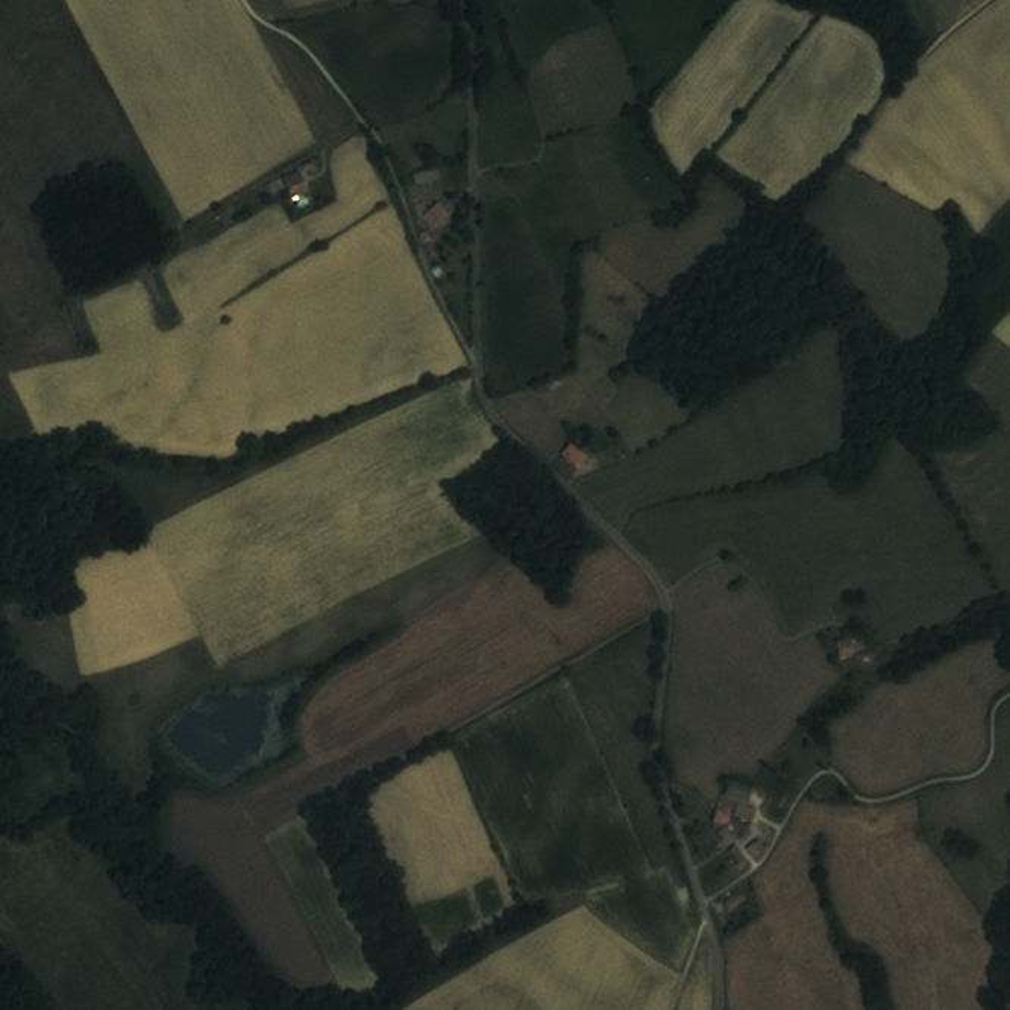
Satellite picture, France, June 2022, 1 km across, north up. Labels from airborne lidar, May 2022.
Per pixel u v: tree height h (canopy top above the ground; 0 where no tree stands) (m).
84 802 16
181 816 0
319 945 0
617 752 0
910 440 20
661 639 13
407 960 21
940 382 11
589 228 0
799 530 0
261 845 0
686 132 0
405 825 0
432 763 0
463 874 0
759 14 0
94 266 13
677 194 0
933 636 14
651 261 0
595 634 0
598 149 0
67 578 11
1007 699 0
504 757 0
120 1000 0
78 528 16
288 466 0
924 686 0
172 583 0
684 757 0
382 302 0
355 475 0
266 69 0
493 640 0
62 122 0
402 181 6
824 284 20
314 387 0
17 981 24
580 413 0
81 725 26
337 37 0
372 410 6
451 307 9
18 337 0
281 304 0
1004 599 9
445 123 0
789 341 21
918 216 0
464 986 0
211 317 0
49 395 0
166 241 12
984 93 0
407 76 0
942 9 0
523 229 0
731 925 9
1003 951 21
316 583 0
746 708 0
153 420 0
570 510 24
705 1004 0
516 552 19
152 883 23
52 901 0
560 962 0
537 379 8
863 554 0
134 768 0
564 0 0
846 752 0
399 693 0
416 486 0
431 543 0
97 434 27
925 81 0
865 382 22
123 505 26
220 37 0
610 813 0
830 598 0
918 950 0
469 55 21
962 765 0
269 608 0
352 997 17
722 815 0
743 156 0
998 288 0
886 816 0
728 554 12
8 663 7
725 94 0
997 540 0
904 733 0
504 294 0
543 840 0
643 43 0
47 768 0
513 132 0
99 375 0
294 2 0
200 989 17
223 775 0
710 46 0
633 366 8
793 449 0
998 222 0
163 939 0
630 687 0
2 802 16
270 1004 23
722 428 0
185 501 0
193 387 0
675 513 0
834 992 0
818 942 0
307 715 0
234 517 0
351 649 9
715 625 0
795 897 0
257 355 0
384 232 0
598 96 0
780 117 0
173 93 0
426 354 0
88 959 0
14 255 0
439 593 0
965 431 15
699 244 0
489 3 0
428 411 0
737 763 0
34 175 0
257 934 0
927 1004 0
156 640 0
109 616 0
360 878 22
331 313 0
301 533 0
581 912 0
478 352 0
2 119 0
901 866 0
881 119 0
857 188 0
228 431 0
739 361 28
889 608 0
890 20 24
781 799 0
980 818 0
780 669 0
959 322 11
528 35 0
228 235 0
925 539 0
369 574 0
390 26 0
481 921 0
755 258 30
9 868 0
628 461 0
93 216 16
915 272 0
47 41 0
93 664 0
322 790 0
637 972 0
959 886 0
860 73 0
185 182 0
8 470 23
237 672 0
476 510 21
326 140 0
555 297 0
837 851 0
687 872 0
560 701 0
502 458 21
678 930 0
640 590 0
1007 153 0
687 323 21
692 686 0
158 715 0
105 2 0
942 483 9
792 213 21
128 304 0
